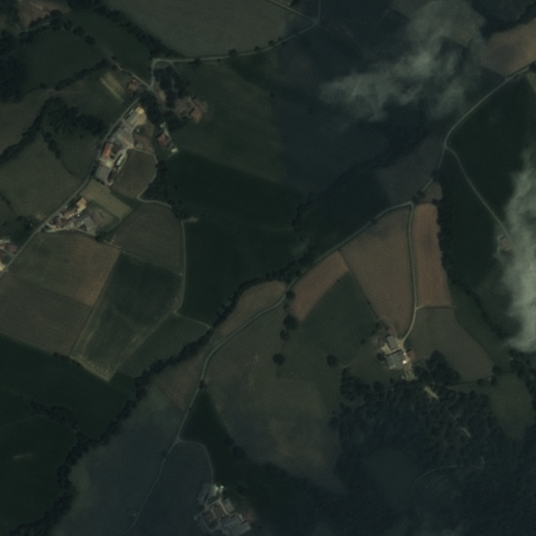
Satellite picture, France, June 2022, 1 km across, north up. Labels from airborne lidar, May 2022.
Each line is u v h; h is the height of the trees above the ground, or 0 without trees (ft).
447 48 0
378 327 31
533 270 0
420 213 0
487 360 0
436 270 0
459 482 0
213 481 0
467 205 0
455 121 0
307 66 0
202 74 0
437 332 0
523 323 0
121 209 0
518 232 0
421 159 0
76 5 68
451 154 0
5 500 0
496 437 51
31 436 0
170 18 0
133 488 0
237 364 0
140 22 0
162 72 50
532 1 29
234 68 0
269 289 0
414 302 0
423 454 42
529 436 47
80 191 0
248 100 0
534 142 0
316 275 0
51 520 81
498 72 0
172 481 0
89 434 0
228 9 0
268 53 0
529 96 0
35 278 0
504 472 47
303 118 0
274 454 0
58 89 40
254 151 0
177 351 0
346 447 46
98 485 0
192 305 0
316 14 0
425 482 0
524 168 0
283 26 0
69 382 0
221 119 0
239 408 0
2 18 0
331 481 0
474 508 22
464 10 0
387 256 0
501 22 46
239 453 71
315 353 0
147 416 0
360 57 0
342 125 0
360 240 0
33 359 0
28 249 0
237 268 0
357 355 0
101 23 0
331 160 0
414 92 30
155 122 59
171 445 0
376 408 33
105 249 0
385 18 0
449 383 33
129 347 0
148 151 0
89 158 0
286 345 0
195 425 0
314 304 0
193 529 0
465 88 0
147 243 0
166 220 0
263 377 0
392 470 0
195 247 0
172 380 0
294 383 0
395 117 0
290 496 0
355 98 0
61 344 0
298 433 0
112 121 0
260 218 0
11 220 0
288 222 0
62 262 0
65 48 0
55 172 0
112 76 0
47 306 0
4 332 0
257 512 0
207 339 42
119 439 0
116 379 0
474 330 0
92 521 0
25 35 36
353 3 0
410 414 48
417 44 0
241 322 0
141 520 0
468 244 0
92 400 0
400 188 0
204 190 0
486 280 0
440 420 33
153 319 0
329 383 0
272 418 0
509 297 0
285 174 0
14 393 0
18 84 48
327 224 0
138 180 0
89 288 0
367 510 56
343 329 0
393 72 0
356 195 0
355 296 0
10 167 0
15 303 0
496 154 0
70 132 26
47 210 0
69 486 53
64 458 0
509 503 72
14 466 0
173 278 0
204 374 0
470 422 46
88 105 0
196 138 0
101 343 0
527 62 0
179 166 0
